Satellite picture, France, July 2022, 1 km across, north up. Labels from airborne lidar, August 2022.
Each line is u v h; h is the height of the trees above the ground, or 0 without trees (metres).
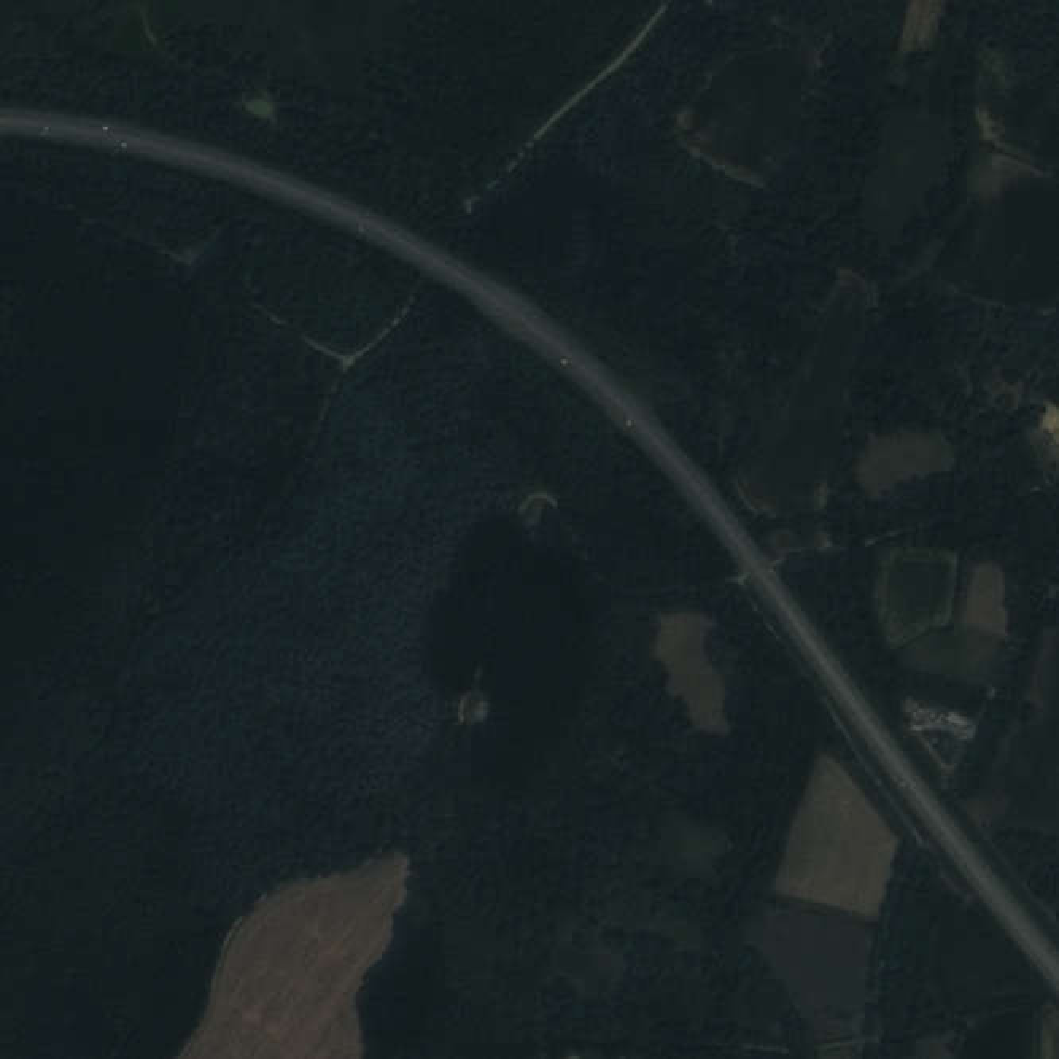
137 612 21
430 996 23
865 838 0
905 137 0
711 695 0
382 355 12
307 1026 0
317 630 26
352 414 26
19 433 24
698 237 21
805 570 19
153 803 19
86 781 24
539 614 20
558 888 23
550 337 0
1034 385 6
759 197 16
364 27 0
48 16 26
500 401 19
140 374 27
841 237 25
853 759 12
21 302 25
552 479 18
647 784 26
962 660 0
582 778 26
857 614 23
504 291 0
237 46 18
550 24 16
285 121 14
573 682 24
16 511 20
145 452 24
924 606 0
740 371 24
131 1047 9
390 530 21
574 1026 22
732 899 14
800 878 0
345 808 26
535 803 20
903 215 0
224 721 23
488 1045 18
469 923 28
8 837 25
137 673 26
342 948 0
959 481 16
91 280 25
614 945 17
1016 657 10
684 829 0
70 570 25
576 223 20
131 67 17
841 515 21
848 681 0
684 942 0
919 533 20
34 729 29
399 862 0
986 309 20
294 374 8
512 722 20
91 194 24
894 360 24
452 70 16
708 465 14
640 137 20
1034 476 17
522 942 28
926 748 0
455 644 19
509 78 14
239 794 24
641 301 19
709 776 27
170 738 31
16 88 13
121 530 22
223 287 12
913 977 16
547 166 15
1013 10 25
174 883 14
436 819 26
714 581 17
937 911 7
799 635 0
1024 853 6
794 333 29
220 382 19
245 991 0
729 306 25
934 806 0
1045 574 17
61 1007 15
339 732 26
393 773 21
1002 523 17
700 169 19
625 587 21
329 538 14
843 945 0
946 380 19
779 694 24
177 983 7
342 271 18
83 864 15
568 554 22
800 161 20
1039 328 29
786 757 21
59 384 28
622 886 31
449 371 17
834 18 21
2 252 30
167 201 23
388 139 14
